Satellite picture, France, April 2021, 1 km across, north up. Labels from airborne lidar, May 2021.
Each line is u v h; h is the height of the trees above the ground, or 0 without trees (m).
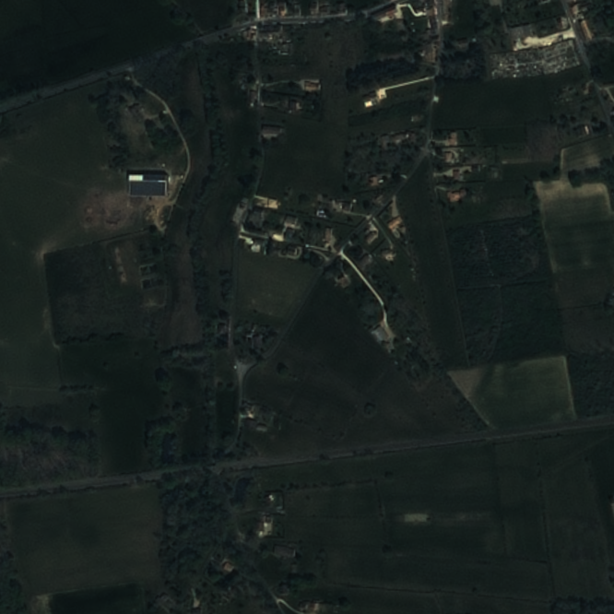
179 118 14
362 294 8
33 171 0
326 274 11
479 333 7
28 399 0
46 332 0
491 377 0
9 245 0
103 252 0
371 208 12
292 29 7
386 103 0
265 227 9
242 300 0
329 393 0
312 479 0
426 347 8
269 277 0
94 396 0
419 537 0
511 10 7
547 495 0
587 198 0
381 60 0
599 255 0
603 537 0
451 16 6
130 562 0
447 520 0
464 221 0
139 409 0
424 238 0
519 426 0
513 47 0
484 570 0
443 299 0
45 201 0
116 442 0
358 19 7
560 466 0
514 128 0
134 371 0
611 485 0
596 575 0
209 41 0
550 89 0
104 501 0
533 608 0
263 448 0
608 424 0
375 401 0
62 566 0
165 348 0
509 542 0
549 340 0
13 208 0
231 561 14
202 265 12
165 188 0
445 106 0
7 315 0
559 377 0
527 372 0
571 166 0
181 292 0
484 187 0
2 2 0
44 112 0
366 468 0
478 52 17
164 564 10
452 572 0
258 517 0
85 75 0
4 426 20
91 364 0
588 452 0
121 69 0
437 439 0
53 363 0
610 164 13
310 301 0
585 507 0
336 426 0
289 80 0
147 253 0
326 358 0
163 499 8
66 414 0
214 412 12
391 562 0
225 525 21
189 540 8
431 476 0
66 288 0
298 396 0
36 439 20
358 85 12
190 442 0
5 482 19
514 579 0
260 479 0
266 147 12
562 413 0
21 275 0
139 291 0
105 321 0
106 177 0
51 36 0
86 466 14
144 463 0
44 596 0
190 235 13
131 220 0
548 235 0
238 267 0
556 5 13
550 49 0
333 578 0
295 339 0
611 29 8
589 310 0
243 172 0
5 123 6
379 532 0
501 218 8
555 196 0
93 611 0
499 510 0
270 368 0
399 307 14
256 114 0
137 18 0
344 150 0
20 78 0
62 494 13
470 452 0
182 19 15
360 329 0
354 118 0
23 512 0
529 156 10
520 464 0
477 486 0
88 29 0
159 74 17
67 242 0
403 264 0
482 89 0
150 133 16
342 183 0
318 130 0
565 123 9
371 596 0
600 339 0
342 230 0
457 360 0
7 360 0
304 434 0
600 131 10
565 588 0
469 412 9
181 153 0
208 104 16
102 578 0
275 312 0
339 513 0
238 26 0
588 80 0
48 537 0
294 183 0
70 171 0
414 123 0
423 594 0
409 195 0
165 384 24
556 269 0
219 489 23
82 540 0
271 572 0
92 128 0
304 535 0
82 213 0
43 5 0
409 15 0
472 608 0
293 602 0
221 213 0
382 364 0
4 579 19
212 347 13
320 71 0
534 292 0
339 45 0
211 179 10
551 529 0
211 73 19
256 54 11
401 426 0
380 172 8
